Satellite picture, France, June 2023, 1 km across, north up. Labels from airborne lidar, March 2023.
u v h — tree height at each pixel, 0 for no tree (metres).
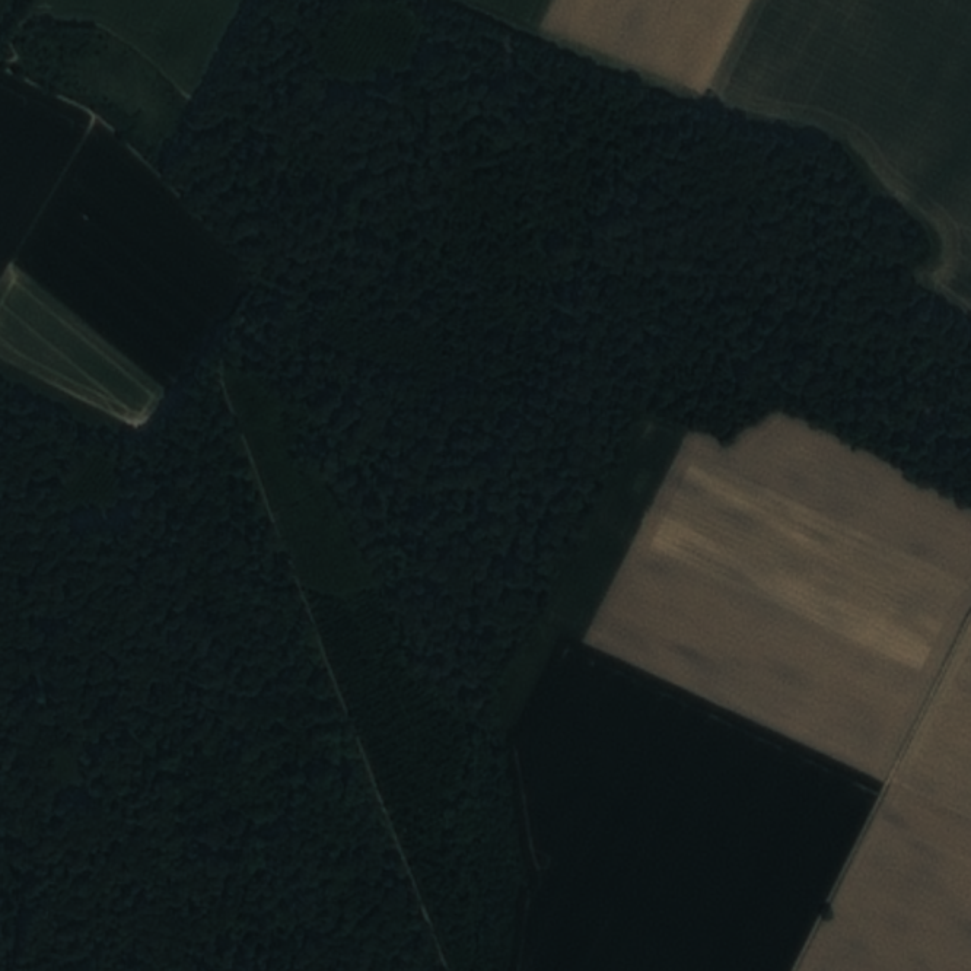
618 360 30
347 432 34
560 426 18
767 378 21
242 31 24
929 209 0
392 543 25
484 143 8
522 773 0
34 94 0
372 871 22
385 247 27
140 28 0
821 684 0
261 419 0
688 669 0
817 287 27
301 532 0
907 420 7
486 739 19
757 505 0
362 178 32
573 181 12
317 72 29
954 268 0
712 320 20
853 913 0
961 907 0
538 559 28
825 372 28
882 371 9
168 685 32
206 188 31
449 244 9
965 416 31
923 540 0
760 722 0
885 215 24
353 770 28
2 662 30
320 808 24
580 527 23
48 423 26
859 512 0
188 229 0
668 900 0
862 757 0
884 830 0
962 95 0
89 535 33
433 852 6
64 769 0
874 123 0
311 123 26
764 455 0
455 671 35
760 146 25
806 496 0
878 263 32
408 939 30
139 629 30
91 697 25
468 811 11
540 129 10
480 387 31
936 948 0
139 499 32
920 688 0
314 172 8
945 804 0
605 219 31
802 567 0
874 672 0
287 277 27
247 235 27
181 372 0
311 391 23
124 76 0
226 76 26
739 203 24
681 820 0
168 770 25
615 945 0
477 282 17
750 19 0
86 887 30
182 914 30
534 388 32
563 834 0
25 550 31
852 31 0
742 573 0
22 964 22
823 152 28
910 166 0
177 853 25
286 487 0
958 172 0
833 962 0
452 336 21
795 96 0
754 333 24
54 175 0
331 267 22
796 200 28
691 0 0
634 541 0
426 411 28
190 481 30
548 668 0
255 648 30
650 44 0
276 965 23
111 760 29
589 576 0
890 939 0
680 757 0
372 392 35
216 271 0
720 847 0
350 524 31
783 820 0
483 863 10
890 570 0
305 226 27
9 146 0
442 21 26
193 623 33
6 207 0
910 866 0
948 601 0
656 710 0
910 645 0
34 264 0
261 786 20
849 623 0
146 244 0
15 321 0
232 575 29
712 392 16
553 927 0
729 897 0
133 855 28
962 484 29
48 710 29
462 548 33
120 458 22
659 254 28
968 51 0
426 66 27
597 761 0
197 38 0
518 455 33
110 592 31
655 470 0
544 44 11
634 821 0
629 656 0
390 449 25
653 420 0
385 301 33
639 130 29
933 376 26
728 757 0
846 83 0
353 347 21
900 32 0
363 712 7
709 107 24
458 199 9
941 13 0
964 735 0
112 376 0
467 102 20
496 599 33
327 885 22
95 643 27
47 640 26
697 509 0
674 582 0
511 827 14
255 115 30
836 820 0
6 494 30
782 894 0
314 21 29
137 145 7
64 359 0
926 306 29
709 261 29
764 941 0
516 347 20
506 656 20
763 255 32
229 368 22
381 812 27
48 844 24
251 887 27
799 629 0
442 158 31
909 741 0
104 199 0
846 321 33
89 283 0
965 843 0
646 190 31
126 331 0
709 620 0
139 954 28
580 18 0
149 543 26
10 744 26
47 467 17
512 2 0
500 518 31
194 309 0
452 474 33
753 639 0
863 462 0
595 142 10
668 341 29
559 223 7
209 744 26
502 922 12
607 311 23
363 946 32
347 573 0
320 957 21
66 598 23
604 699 0
